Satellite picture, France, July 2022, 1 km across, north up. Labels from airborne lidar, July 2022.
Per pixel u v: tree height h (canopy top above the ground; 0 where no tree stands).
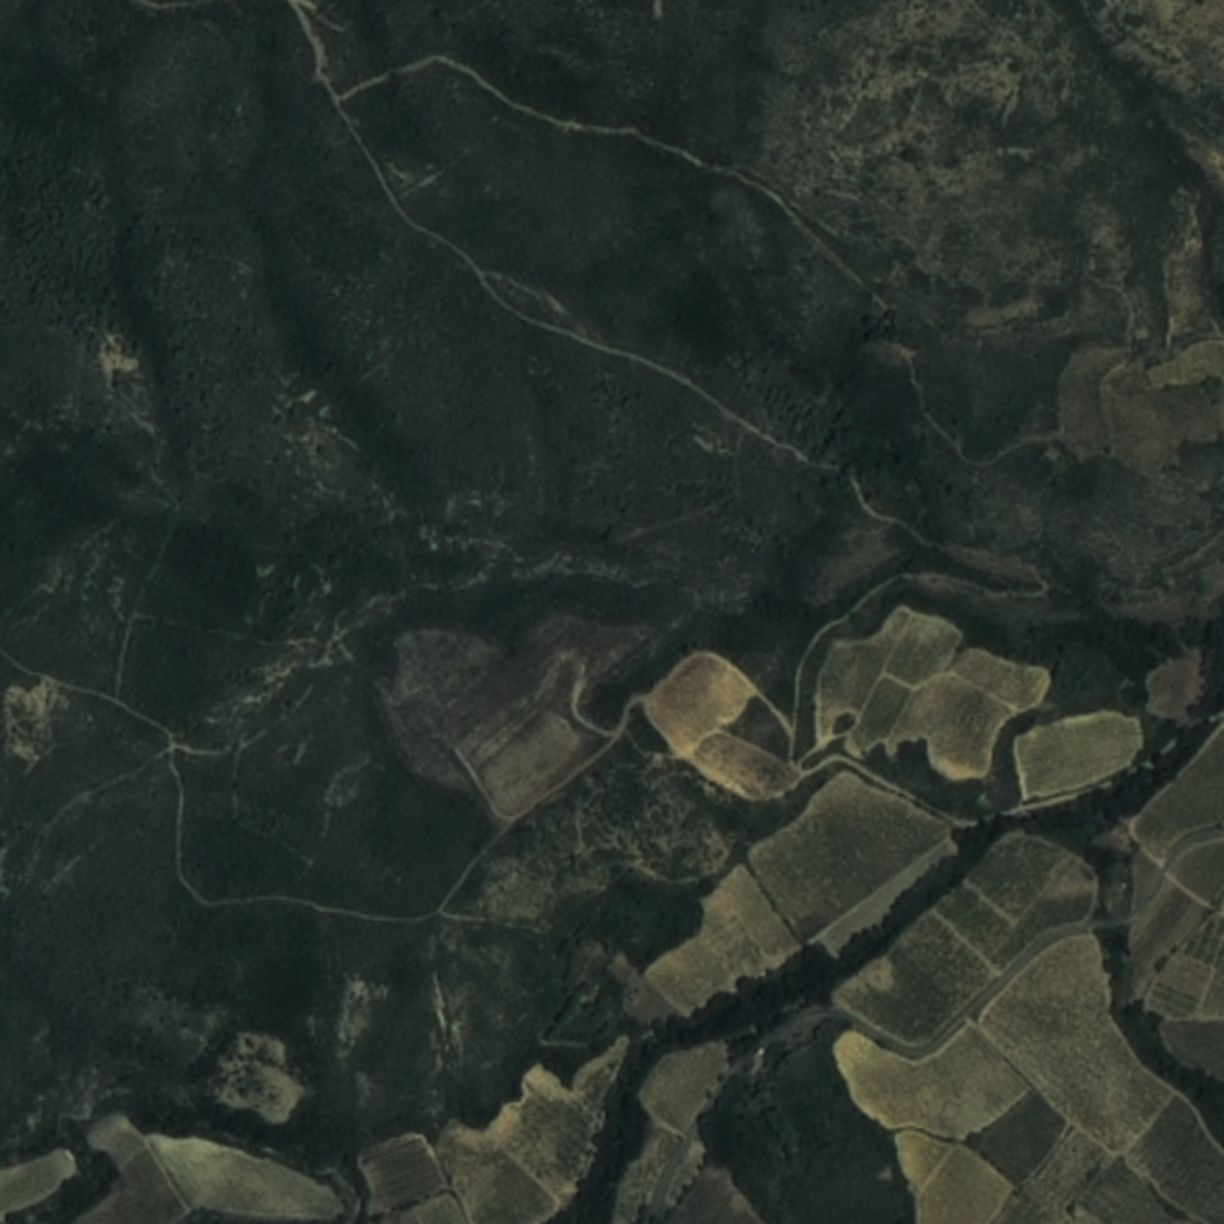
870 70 0
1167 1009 0
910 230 0
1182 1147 0
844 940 0
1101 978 0
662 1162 0
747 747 0
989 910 0
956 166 0
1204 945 0
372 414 7
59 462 8
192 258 6
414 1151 0
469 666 0
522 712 0
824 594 0
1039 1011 0
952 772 0
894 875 0
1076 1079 0
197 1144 0
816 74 0
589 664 0
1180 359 0
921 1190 0
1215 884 0
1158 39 0
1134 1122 0
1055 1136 0
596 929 8
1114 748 0
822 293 0
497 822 0
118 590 0
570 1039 11
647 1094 0
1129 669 9
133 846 0
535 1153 0
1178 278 0
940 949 0
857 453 9
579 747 0
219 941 6
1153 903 0
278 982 8
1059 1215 0
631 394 6
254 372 8
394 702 0
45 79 6
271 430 0
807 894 0
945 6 0
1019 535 0
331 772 0
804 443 9
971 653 0
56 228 12
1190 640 9
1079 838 6
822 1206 0
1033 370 0
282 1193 0
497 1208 0
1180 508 0
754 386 7
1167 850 0
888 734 0
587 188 0
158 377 9
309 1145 6
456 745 0
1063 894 0
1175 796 0
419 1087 0
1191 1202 0
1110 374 0
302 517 6
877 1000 0
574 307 0
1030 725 8
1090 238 0
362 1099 0
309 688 0
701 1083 0
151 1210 0
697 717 0
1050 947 0
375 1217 8
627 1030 8
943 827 0
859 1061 0
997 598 0
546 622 0
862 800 0
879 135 0
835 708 0
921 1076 0
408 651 0
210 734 8
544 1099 0
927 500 8
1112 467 0
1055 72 0
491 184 0
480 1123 7
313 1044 5
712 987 0
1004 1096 0
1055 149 0
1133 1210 0
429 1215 0
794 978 7
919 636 0
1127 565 0
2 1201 0
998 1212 0
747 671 0
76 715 0
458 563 7
